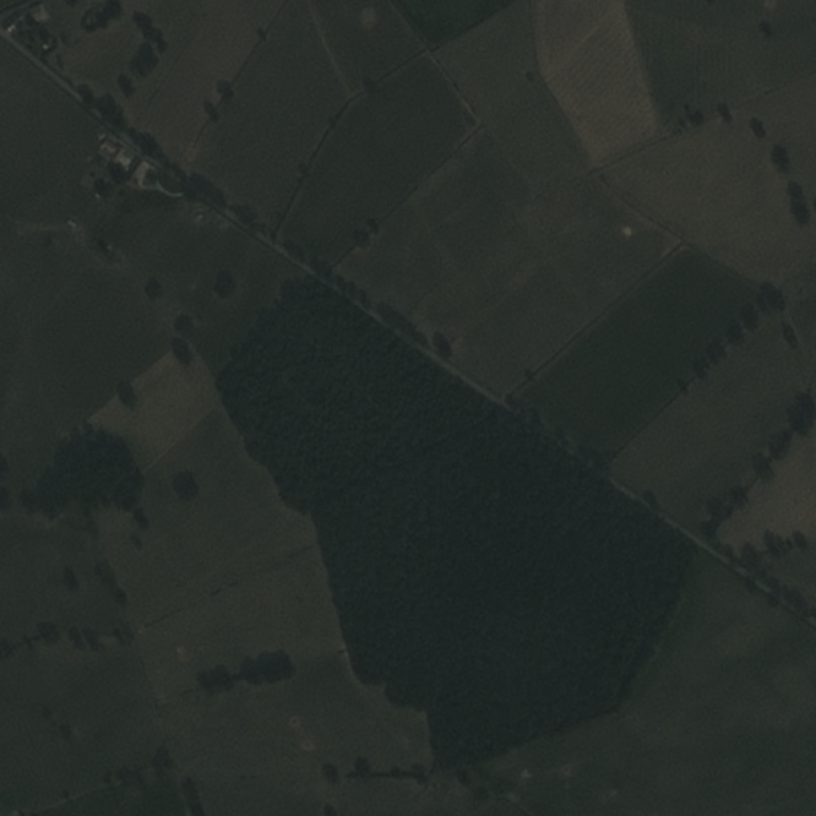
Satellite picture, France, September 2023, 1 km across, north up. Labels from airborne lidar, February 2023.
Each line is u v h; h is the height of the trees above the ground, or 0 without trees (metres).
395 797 0
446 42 0
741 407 0
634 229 0
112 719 0
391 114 0
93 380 0
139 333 0
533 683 20
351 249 0
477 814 0
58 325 0
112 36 0
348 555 22
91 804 0
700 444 0
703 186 0
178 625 0
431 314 0
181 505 0
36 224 0
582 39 0
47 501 19
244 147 0
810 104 0
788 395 0
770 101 0
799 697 0
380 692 0
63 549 0
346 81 0
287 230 0
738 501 14
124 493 18
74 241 0
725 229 0
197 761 0
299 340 8
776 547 23
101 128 0
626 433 0
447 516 23
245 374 13
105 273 0
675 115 0
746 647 0
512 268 0
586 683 21
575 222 0
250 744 0
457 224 0
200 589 0
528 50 0
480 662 19
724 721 0
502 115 0
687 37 0
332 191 0
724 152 0
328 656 0
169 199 0
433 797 0
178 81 0
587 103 0
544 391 0
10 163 0
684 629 0
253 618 0
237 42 0
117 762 0
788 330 12
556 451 19
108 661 0
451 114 0
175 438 0
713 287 0
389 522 11
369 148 0
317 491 10
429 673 22
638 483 0
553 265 0
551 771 0
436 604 23
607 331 0
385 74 0
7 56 0
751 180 0
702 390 0
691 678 0
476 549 21
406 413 7
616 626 12
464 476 22
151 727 0
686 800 0
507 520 20
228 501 0
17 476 0
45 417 0
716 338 0
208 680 13
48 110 0
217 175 0
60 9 0
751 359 0
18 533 0
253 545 0
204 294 0
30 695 0
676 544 17
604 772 0
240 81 0
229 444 0
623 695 15
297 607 0
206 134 0
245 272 0
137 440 0
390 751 0
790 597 16
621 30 0
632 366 0
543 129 0
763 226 0
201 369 0
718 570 0
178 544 0
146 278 0
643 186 0
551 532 19
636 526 20
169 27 0
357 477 9
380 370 7
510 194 0
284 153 0
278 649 0
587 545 22
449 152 0
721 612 0
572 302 0
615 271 0
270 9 0
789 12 0
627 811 0
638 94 0
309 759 0
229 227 0
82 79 0
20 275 0
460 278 0
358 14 0
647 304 0
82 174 0
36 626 0
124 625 0
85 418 0
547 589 21
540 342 0
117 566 0
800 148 0
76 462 23
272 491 0
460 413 7
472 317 0
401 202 0
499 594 21
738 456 0
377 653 20
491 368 0
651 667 0
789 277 0
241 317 0
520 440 22
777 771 0
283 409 8
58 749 0
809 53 0
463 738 17
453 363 0
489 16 0
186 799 13
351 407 5
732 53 0
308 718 0
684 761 0
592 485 20
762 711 0
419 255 0
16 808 0
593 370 0
